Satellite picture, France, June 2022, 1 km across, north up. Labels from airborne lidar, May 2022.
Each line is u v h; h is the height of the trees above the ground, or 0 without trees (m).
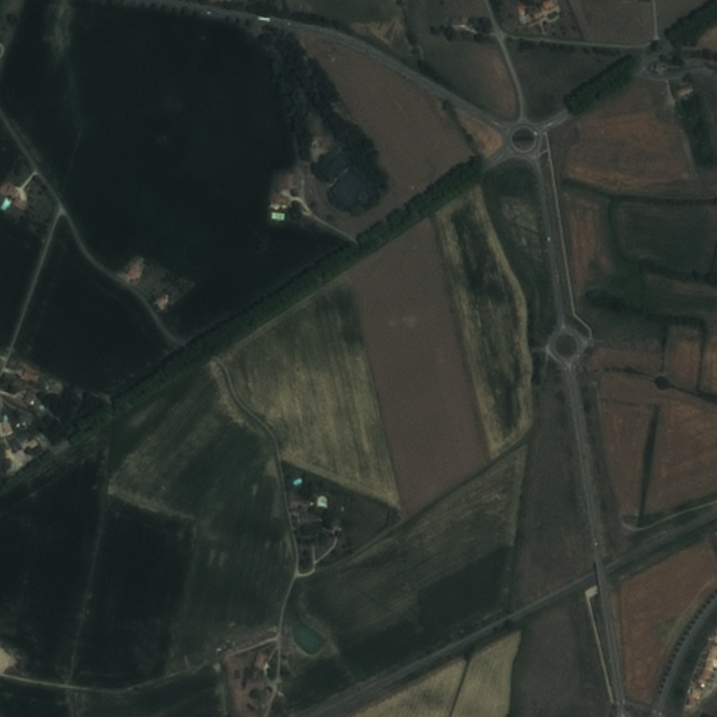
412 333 0
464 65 0
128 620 0
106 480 0
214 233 0
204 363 23
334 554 8
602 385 0
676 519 0
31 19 0
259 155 0
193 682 0
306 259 0
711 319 0
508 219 0
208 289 0
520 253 0
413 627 0
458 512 0
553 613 0
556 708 0
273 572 0
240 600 0
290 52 28
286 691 0
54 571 0
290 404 0
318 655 0
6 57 0
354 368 0
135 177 0
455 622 0
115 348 0
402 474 0
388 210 0
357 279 0
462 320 0
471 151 0
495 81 0
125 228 0
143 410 0
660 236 0
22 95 0
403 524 0
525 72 0
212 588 0
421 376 0
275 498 0
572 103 25
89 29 0
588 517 0
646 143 0
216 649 0
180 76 0
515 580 0
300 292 21
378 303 0
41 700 0
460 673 0
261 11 15
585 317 0
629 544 0
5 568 0
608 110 0
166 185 0
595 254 0
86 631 0
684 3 0
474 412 0
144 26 0
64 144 0
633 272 0
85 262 0
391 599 0
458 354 0
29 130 0
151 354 0
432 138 0
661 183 0
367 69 0
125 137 0
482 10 0
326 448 0
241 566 0
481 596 0
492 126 0
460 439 0
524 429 0
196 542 0
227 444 0
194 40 0
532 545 0
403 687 0
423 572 0
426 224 0
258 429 0
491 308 0
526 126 0
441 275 0
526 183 0
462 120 0
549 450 0
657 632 0
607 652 0
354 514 0
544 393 0
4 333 0
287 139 0
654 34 0
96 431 22
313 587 0
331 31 0
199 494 0
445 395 0
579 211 0
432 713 0
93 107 0
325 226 0
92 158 0
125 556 0
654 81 0
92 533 0
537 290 0
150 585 0
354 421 0
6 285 0
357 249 21
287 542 0
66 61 0
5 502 0
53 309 0
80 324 0
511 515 0
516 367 0
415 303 0
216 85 0
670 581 0
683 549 0
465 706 0
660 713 0
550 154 0
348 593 0
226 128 0
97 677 0
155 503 0
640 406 0
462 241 0
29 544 0
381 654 0
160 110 0
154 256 0
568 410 0
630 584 0
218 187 0
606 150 0
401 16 0
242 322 21
